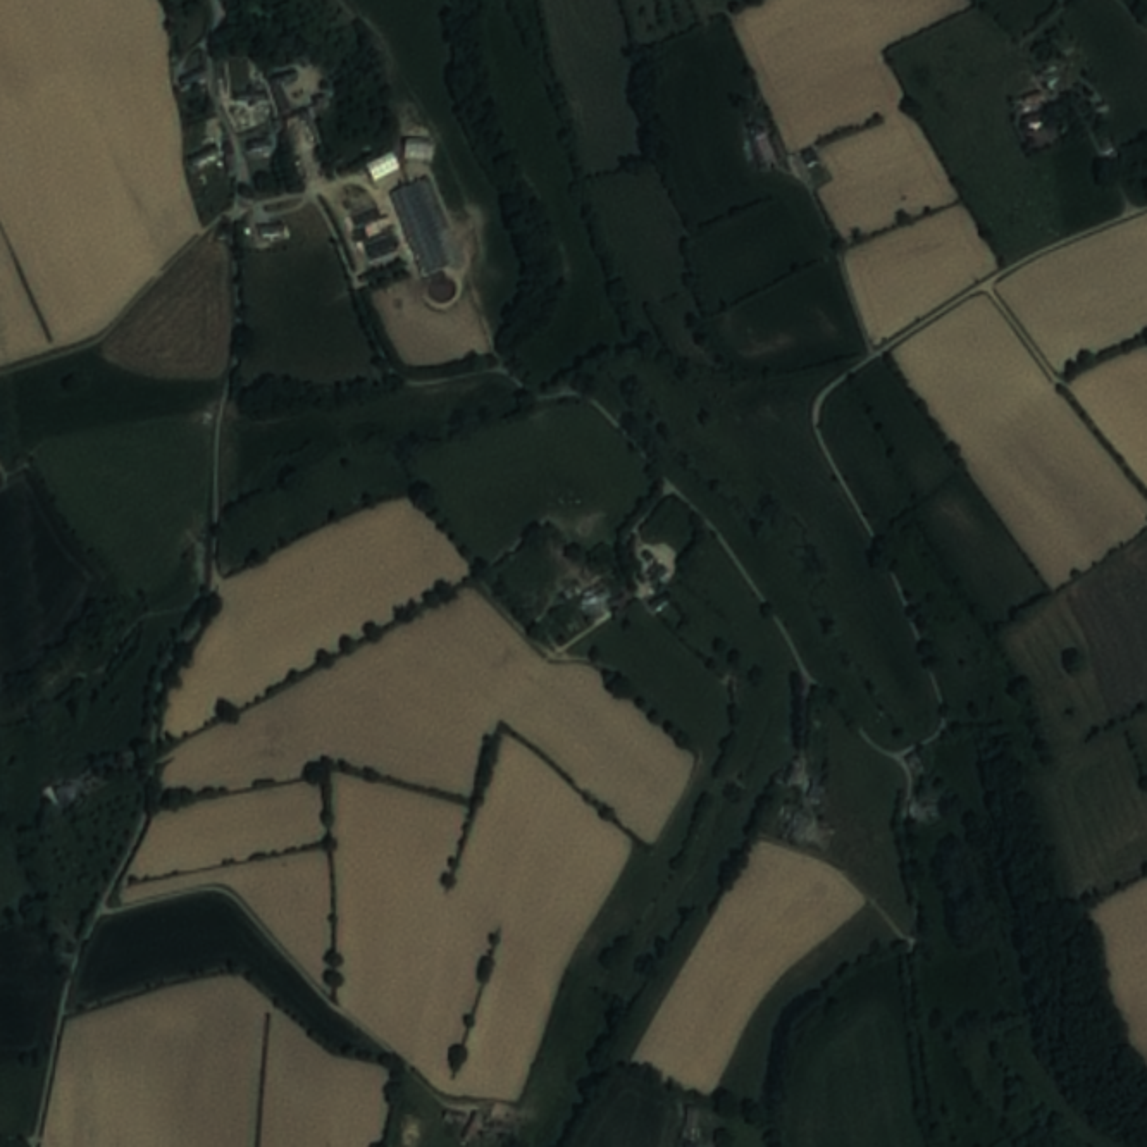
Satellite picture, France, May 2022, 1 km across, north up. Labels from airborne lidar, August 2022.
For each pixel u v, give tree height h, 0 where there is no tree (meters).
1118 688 0
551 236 21
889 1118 0
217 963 0
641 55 14
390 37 0
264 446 0
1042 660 0
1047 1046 15
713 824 0
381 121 9
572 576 0
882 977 0
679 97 0
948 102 0
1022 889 26
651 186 0
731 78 0
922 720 0
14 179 0
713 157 0
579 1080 0
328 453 0
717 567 0
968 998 0
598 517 0
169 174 0
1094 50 0
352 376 0
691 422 0
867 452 0
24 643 0
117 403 0
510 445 0
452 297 0
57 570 0
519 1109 0
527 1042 0
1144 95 0
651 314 8
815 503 0
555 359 0
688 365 12
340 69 6
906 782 0
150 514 0
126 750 0
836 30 0
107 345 0
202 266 0
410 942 0
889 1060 0
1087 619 0
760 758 0
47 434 0
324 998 0
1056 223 0
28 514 0
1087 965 16
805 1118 0
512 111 0
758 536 18
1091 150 0
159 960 0
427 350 0
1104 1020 15
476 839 0
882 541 14
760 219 0
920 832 12
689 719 0
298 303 0
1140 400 0
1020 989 0
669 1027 0
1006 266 10
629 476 0
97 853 6
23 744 0
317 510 0
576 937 0
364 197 0
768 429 0
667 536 0
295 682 9
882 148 0
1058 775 0
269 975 0
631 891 0
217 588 0
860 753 0
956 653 0
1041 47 10
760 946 0
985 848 17
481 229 0
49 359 0
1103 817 0
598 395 23
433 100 0
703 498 0
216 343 0
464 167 0
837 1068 0
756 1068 0
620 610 13
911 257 0
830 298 0
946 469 0
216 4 0
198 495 0
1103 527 0
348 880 0
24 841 11
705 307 9
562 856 0
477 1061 0
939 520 0
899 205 0
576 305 0
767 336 0
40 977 0
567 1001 0
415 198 0
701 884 0
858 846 0
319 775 16
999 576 0
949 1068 0
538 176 0
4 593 0
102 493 0
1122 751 0
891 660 0
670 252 0
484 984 10
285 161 18
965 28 0
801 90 0
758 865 0
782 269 0
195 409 0
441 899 0
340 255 6
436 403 0
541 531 17
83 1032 0
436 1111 0
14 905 0
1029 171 0
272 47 14
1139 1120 16
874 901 0
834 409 0
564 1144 9
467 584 7
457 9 8
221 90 0
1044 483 0
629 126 0
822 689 9
